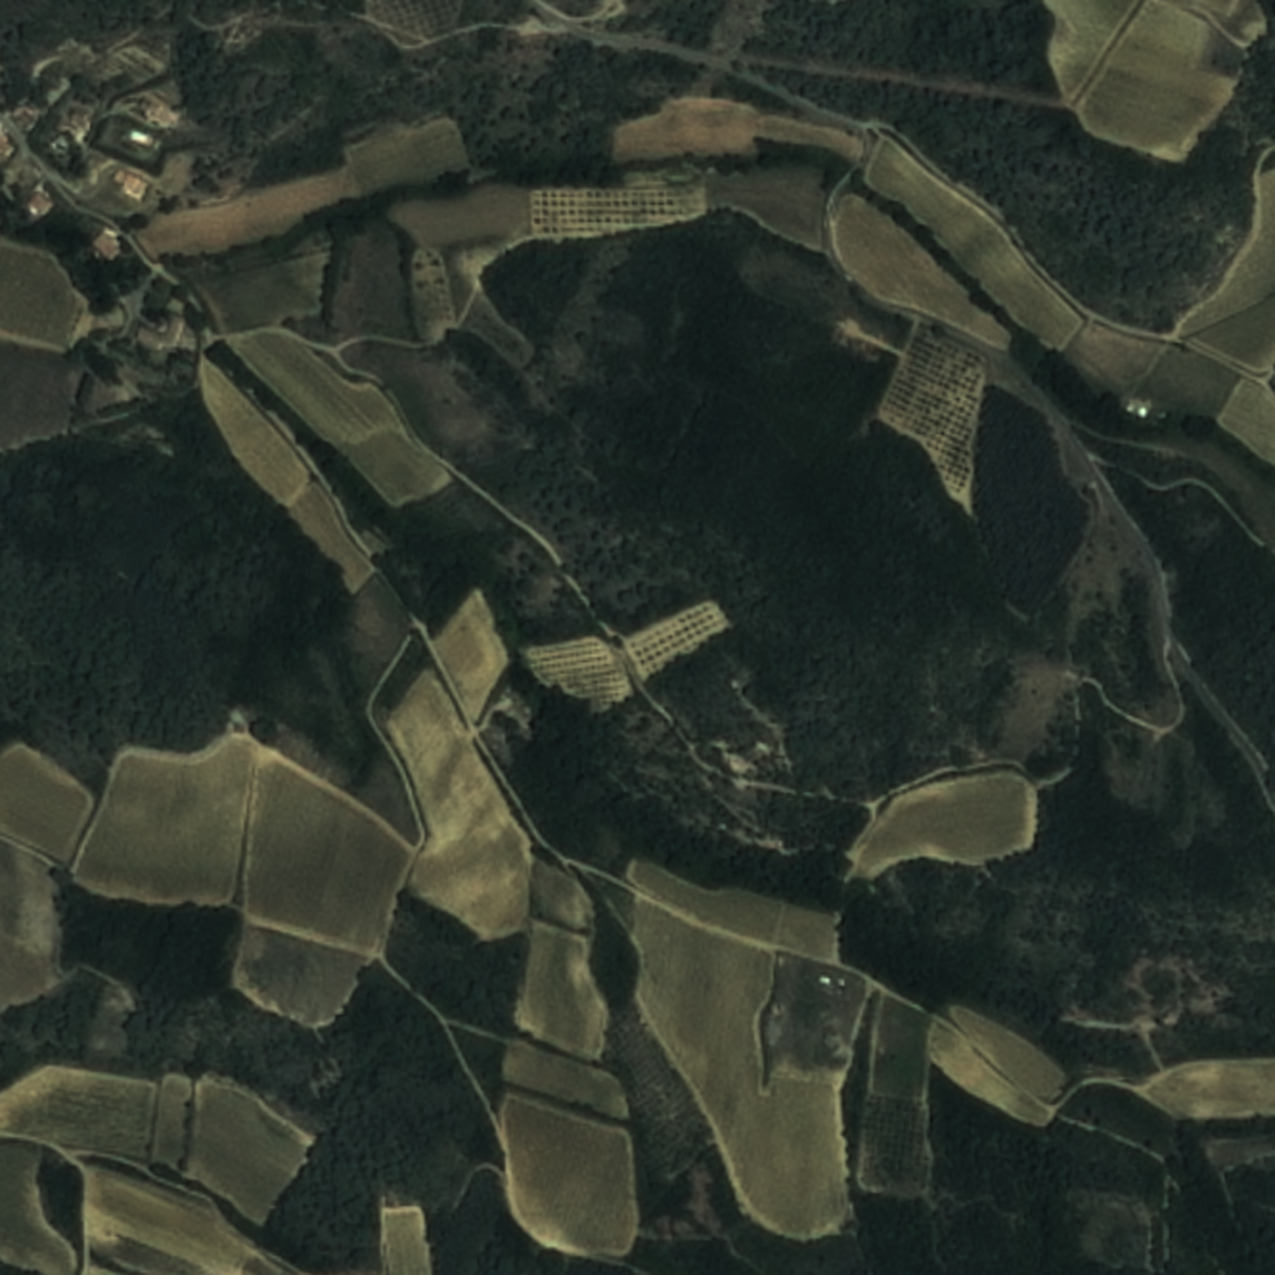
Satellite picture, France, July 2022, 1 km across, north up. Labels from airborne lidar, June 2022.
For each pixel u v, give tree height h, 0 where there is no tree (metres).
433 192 5
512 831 0
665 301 9
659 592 13
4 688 10
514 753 13
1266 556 9
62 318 0
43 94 10
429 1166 11
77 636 9
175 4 7
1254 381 0
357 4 8
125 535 6
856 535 7
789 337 7
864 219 0
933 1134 8
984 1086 0
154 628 8
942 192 0
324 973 0
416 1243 0
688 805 6
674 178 0
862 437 7
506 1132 0
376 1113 11
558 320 6
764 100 10
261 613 11
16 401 0
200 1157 0
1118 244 17
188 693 6
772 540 5
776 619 6
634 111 10
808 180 0
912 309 0
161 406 8
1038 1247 8
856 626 5
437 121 0
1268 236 0
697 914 0
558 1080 0
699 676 6
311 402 0
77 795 0
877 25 17
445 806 0
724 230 6
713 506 7
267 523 12
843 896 13
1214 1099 0
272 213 0
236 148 8
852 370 7
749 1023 0
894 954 13
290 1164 0
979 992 5
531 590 10
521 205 0
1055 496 12
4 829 0
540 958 0
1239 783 7
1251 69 9
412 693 0
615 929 8
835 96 14
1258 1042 6
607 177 9
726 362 6
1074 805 10
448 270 0
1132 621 6
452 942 10
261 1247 10
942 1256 7
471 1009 10
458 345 7
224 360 17
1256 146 9
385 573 14
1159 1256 10
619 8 0
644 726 6
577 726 12
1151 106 0
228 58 8
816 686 11
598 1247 0
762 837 8
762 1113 0
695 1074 0
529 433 8
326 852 0
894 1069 0
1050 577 12
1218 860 9
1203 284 0
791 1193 0
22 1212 0
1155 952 7
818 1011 0
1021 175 19
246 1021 6
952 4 10
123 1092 0
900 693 6
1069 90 0
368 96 6
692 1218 6
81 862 0
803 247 7
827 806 9
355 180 0
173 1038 12
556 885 0
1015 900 9
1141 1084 0
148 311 6
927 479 6
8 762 0
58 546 9
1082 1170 12
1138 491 10
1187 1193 10
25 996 0
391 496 0
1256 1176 8
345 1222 8
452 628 0
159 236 0
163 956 11
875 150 0
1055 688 0
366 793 0
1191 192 11
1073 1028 9
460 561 7
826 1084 0
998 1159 9
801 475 7
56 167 8
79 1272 0
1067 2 0
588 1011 0
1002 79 17
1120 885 6
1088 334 0
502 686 0
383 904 0
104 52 0
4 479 9
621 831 7
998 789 0
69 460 9
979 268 0
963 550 9
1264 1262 10
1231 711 7
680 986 0
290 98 13
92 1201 0
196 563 11
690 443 8
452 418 0
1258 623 8
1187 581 7
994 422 13
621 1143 0
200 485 10
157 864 0
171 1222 0
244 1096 0
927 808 0
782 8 8
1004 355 0
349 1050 16
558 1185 0
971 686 9
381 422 0
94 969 6
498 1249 11
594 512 6
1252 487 0
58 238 13
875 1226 7
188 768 0
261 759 0
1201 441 14
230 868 0
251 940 0
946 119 10
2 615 11
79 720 13
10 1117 0
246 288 0
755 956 0
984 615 8
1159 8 0
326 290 11
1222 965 6
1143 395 0
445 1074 7
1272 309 0
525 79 10
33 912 0
